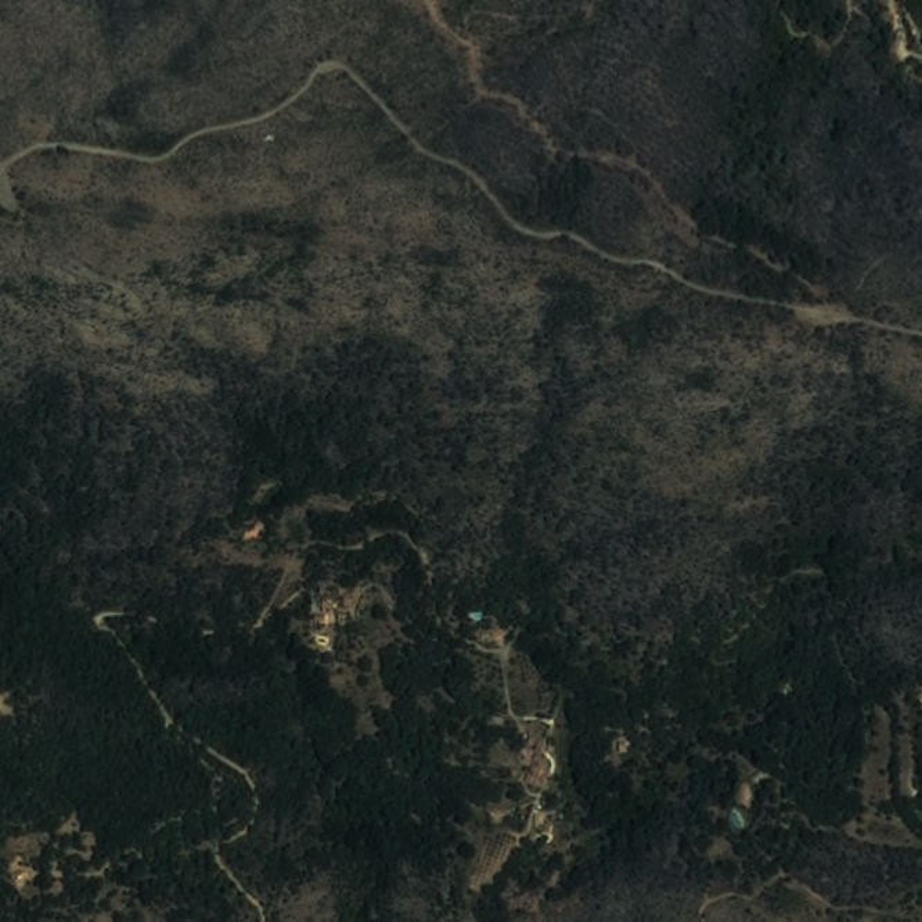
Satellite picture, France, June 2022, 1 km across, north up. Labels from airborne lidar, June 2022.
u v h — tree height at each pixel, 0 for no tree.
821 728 12
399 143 12
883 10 9
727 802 16
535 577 13
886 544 11
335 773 21
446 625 9
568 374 13
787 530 20
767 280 12
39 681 10
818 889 13
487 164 10
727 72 7
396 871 8
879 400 11
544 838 8
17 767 9
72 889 12
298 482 12
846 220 14
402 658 9
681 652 10
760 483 8
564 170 16
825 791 13
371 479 16
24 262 0
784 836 14
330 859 10
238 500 9
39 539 14
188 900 8
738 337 8
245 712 13
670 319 6
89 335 0
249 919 9
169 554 10
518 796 14
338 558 11
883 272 0
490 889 12
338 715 12
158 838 13
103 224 0
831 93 7
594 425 9
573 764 13
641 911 6
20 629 10
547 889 14
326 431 15
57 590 13
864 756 9
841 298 9
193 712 18
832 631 14
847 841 14
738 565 14
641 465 0
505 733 9
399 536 7
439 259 5
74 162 0
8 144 0
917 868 17
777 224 12
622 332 7
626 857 12
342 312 0
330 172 0
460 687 17
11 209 0
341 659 6
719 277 9
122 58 0
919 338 8
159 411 8
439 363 0
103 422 15
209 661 16
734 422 11
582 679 15
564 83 13
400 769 9
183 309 0
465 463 11
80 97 0
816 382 6
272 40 0
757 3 10
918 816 13
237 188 0
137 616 9
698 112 9
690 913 0
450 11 8
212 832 16
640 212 12
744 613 10
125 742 10
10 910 14
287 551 8
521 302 0
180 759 6
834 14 8
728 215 18
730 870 15
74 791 11
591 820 11
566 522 13
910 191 10
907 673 10
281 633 15
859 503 7
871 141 8
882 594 9
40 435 9
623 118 12
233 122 0
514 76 17
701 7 7
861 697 14
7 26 0
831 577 15
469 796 14
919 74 8
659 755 13
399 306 0
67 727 10
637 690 8
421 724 11
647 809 9
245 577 7
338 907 7
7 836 6
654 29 14
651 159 12
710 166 15
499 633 0
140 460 8
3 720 9
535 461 11
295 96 0
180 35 0
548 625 10
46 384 10
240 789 7
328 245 0
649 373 0
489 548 10
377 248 0
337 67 0
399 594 12
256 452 17
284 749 13
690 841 18
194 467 14
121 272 0
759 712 10
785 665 10
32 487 12
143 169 0
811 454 11
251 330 0
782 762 11
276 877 11
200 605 9
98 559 12
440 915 6
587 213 12
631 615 8
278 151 0
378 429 14
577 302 7
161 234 0
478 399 11
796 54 16
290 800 10
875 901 13
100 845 12
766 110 7
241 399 14
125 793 9
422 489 10
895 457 11
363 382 9
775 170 14
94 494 9
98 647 7
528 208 17
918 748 7
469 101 13
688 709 15
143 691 12
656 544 9
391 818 21
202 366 10
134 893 6
